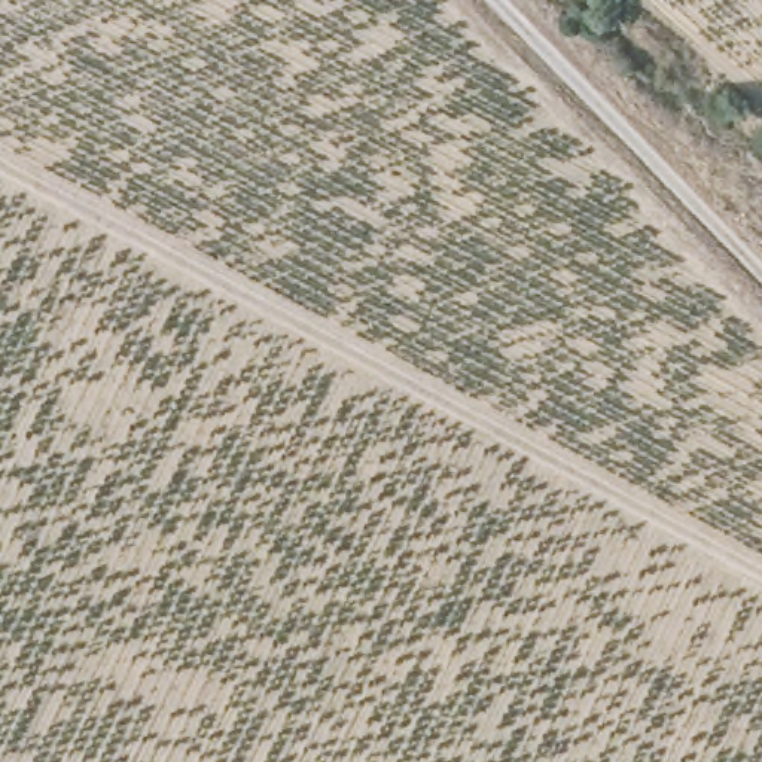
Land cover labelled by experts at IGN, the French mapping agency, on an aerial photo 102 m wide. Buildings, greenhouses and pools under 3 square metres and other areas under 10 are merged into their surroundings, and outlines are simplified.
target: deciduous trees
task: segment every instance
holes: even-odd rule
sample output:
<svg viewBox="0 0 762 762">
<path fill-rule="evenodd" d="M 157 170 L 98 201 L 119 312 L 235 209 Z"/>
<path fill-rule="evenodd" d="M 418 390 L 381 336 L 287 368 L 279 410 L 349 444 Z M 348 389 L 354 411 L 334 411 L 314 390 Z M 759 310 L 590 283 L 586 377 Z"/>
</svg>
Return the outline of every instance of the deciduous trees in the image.
<svg viewBox="0 0 762 762">
<path fill-rule="evenodd" d="M 604 45 L 601 0 L 560 0 L 560 30 L 569 36 L 583 36 L 592 45 Z"/>
<path fill-rule="evenodd" d="M 741 125 L 744 116 L 729 104 L 729 98 L 720 89 L 714 89 L 702 92 L 702 116 L 708 119 L 708 125 L 729 131 Z"/>
</svg>

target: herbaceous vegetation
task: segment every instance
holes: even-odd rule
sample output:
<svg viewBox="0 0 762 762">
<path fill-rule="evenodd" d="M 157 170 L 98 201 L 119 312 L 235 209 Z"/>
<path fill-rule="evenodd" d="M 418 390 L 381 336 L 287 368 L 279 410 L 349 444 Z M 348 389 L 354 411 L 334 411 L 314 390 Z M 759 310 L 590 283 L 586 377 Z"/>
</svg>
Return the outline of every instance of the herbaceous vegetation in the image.
<svg viewBox="0 0 762 762">
<path fill-rule="evenodd" d="M 762 83 L 735 83 L 726 80 L 720 71 L 711 71 L 708 63 L 688 45 L 688 39 L 676 33 L 664 18 L 649 12 L 643 0 L 601 0 L 604 45 L 592 45 L 583 36 L 569 36 L 560 30 L 560 0 L 512 0 L 539 27 L 539 33 L 551 39 L 551 45 L 557 45 L 557 51 L 655 146 L 655 152 L 717 214 L 723 214 L 750 247 L 762 253 Z M 702 92 L 714 89 L 720 89 L 729 98 L 729 104 L 744 116 L 741 125 L 729 131 L 708 125 L 708 119 L 702 116 Z"/>
</svg>

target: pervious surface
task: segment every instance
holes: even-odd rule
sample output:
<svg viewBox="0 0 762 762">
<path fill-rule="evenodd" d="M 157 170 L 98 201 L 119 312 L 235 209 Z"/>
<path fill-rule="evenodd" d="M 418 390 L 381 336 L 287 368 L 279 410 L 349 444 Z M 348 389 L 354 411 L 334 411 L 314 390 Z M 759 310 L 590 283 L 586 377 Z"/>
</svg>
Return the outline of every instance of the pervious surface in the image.
<svg viewBox="0 0 762 762">
<path fill-rule="evenodd" d="M 661 182 L 762 280 L 762 253 L 750 247 L 723 214 L 717 214 L 655 152 L 655 146 L 557 51 L 557 45 L 551 45 L 551 39 L 539 33 L 539 27 L 512 0 L 485 0 L 557 71 L 557 77 L 566 80 L 661 176 Z"/>
</svg>

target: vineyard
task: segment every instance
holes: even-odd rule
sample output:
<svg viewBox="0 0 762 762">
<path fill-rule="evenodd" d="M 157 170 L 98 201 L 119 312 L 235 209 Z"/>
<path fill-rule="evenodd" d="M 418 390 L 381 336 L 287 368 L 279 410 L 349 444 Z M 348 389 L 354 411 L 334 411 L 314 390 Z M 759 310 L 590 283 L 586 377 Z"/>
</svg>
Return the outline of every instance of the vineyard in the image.
<svg viewBox="0 0 762 762">
<path fill-rule="evenodd" d="M 676 33 L 688 39 L 688 45 L 708 63 L 711 71 L 720 71 L 726 80 L 735 83 L 762 83 L 762 0 L 643 0 L 649 12 L 664 18 Z"/>
<path fill-rule="evenodd" d="M 557 77 L 557 71 L 485 0 L 0 0 L 0 762 L 762 762 L 762 280 L 661 182 L 661 176 L 566 80 Z"/>
</svg>

